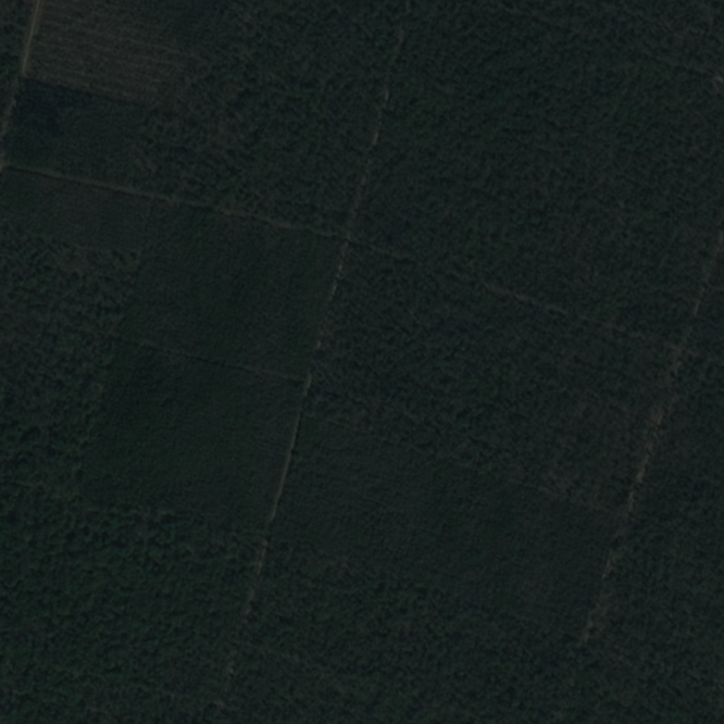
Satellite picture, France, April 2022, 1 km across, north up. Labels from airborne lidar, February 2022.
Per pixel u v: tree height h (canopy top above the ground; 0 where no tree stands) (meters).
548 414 17
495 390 16
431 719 17
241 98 12
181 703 12
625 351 13
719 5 11
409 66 16
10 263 16
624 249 12
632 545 12
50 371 16
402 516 8
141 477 13
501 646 17
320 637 18
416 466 10
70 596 15
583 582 8
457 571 10
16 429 19
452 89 18
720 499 16
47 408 19
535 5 13
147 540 8
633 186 13
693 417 13
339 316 16
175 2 7
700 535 18
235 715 9
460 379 20
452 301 17
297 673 18
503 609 12
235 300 10
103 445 11
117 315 18
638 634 14
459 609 17
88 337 17
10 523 21
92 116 7
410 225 14
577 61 20
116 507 16
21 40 10
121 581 17
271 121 19
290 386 7
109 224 6
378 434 9
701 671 10
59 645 19
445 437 17
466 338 19
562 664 15
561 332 14
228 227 9
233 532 19
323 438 10
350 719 20
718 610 13
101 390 20
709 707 18
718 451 12
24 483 20
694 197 15
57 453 21
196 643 18
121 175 10
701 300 11
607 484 17
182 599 11
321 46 16
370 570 18
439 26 16
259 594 19
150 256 6
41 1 0
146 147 7
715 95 19
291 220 15
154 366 16
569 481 18
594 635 11
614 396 18
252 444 9
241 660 13
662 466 11
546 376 17
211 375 10
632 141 19
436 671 22
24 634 20
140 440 12
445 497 11
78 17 12
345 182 13
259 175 13
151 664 22
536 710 18
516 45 17
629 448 20
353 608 20
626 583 6
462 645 23
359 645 16
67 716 19
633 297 15
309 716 19
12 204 10
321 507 11
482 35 17
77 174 11
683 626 15
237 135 19
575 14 19
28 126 12
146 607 18
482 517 8
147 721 15
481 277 16
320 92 17
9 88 8
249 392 9
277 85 19
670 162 11
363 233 17
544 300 16
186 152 17
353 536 10
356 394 17
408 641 18
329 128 16
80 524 20
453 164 11
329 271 8
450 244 17
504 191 16
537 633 13
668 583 13
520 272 14
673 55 18
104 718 15
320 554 21
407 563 10
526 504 7
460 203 20
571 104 16
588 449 20
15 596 18
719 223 13
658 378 12
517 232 13
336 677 17
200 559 17
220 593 19
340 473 10
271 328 9
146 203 7
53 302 22
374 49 17
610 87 15
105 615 18
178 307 13
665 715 17
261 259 11
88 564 21
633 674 19
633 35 15
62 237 9
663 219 17
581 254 15
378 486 7
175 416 10
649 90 15
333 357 20
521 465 19
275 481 7
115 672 15
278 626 17
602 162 17
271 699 17
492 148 14
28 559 24
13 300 12
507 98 18
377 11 18
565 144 18
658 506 7
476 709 18
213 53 15
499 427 19
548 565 9
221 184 21
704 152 14
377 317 16
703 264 18
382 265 17
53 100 8
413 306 18
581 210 15
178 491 8
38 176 7
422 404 17
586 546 11
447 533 9
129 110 11
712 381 19
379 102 18
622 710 16
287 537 9
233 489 9
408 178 17
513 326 19
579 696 18
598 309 16
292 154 19
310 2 17
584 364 13
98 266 14
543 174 18
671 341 18
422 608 18
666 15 15
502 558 6
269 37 18
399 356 16
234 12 13
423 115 15
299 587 10
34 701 20
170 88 7
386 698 19
